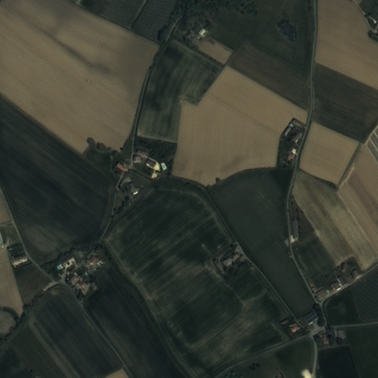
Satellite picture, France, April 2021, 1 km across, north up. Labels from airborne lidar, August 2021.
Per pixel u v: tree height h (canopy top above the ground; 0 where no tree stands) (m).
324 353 0
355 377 0
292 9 0
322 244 0
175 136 0
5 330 0
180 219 0
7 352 0
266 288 0
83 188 0
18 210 0
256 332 0
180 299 0
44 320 0
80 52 0
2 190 0
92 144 20
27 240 0
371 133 0
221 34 0
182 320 0
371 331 0
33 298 0
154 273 0
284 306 0
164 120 0
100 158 0
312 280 0
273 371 0
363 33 0
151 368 0
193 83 0
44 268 10
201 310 0
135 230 0
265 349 0
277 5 0
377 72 0
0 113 0
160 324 0
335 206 0
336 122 0
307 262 0
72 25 0
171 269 0
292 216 0
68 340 0
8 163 0
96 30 0
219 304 0
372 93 0
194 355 0
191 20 19
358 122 0
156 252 0
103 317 0
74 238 0
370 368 0
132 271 0
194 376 0
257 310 0
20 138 0
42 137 0
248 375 0
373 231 0
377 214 0
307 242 0
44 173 0
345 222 0
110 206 0
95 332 0
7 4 0
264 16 0
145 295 0
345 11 0
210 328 0
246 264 9
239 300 0
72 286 9
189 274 0
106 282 0
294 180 0
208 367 0
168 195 0
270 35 0
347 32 0
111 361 0
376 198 0
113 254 0
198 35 13
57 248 0
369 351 0
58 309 0
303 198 0
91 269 0
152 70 9
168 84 0
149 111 0
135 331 0
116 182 0
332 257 0
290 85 0
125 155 0
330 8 0
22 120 0
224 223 0
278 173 0
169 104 0
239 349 0
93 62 0
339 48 0
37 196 0
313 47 0
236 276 6
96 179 0
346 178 0
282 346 0
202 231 0
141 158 0
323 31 0
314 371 0
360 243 0
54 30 0
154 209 0
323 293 0
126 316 0
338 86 0
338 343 13
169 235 0
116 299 0
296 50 0
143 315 0
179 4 14
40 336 0
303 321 0
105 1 0
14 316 0
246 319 0
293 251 0
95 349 0
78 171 0
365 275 0
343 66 0
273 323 0
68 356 0
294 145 13
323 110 0
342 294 0
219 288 0
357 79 0
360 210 0
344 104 0
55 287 0
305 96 0
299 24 0
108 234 0
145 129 0
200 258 0
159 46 0
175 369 0
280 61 0
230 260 0
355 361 0
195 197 0
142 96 0
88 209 0
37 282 0
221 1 9
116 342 0
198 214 0
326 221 0
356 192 0
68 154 0
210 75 0
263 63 0
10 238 0
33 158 0
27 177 0
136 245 0
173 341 0
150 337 0
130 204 11
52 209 0
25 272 0
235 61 0
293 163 9
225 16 0
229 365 0
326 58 0
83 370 0
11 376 0
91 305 0
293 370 0
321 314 15
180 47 0
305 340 0
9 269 0
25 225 0
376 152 0
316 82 0
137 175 0
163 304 0
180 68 0
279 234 0
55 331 0
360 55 0
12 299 0
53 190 0
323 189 0
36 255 0
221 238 0
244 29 0
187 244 0
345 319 0
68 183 0
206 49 0
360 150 0
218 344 0
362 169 0
